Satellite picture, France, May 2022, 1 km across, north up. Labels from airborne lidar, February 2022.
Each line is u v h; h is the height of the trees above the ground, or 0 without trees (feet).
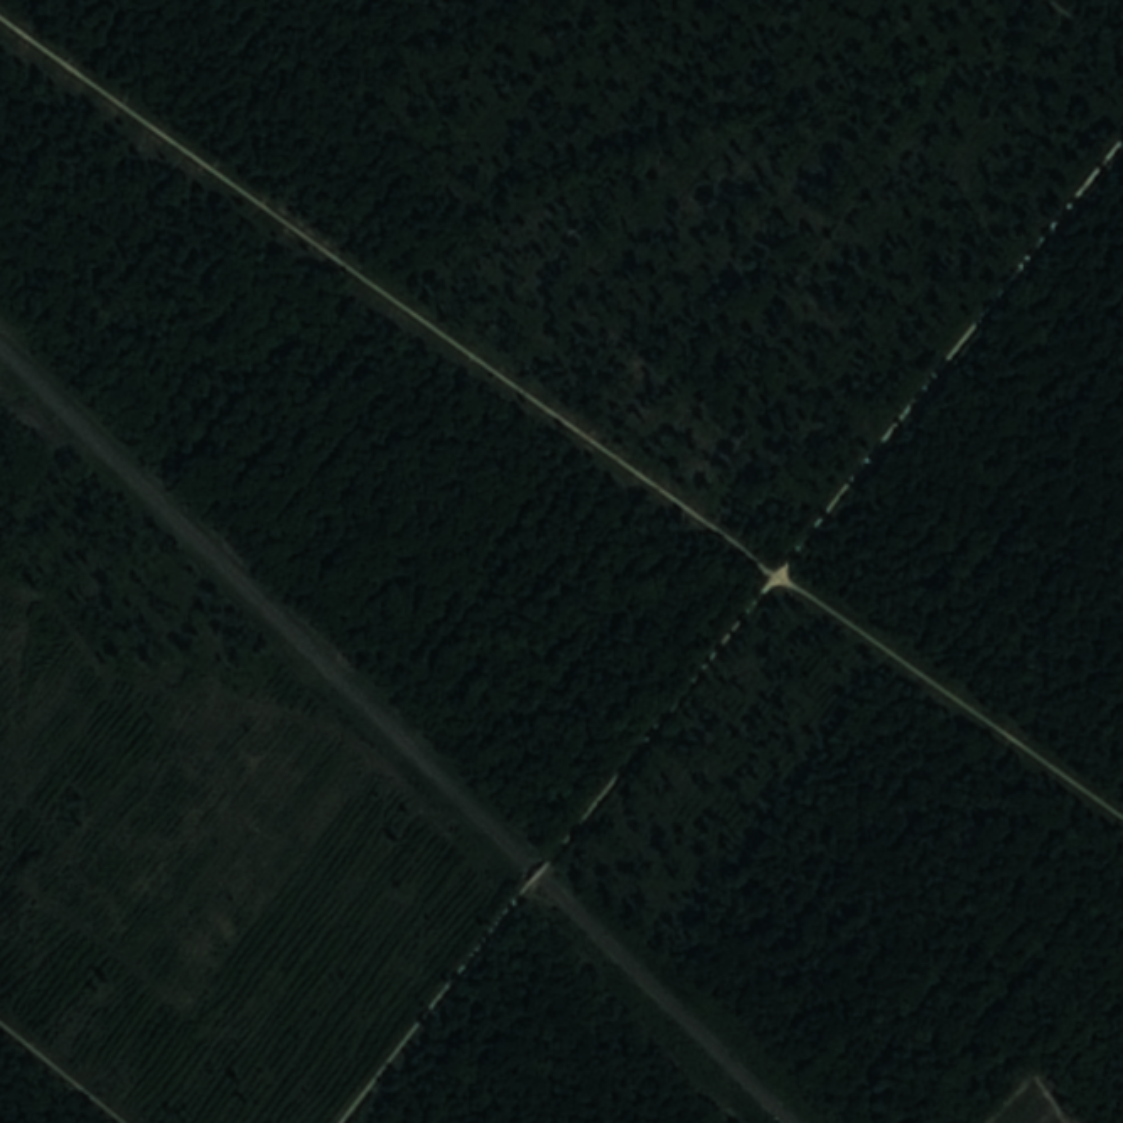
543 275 0
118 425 76
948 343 0
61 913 0
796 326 80
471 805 0
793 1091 0
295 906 0
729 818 0
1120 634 77
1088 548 79
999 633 77
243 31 68
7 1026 0
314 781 0
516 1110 74
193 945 0
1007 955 79
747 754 0
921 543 61
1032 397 69
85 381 76
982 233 77
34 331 68
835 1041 87
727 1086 0
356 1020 0
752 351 70
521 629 67
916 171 80
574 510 70
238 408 70
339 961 0
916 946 71
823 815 68
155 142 0
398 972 0
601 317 66
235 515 73
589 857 68
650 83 0
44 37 36
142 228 83
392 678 76
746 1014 77
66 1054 0
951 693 0
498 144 0
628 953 0
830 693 0
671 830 0
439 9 74
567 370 65
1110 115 0
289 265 77
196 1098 0
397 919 0
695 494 0
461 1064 81
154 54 74
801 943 97
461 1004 79
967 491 81
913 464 70
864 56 80
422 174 77
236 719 0
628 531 89
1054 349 81
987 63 0
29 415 0
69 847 0
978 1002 79
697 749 74
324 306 89
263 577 72
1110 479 80
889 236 0
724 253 0
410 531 72
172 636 0
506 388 0
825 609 0
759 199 84
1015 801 75
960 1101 72
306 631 0
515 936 71
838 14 71
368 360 71
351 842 0
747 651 70
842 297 72
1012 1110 0
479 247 75
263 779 0
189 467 79
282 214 0
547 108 75
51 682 0
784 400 0
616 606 71
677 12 73
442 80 0
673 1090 79
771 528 93
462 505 72
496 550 70
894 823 75
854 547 63
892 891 77
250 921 0
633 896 0
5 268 79
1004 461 73
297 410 66
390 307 0
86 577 0
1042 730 73
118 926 0
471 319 70
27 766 0
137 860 0
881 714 68
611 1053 70
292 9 77
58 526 75
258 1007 0
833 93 78
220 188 0
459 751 67
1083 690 56
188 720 0
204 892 0
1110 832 74
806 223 0
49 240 76
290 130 76
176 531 0
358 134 78
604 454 0
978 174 0
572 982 75
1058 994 76
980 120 0
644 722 71
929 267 28
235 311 84
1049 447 90
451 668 78
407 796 0
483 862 0
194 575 71
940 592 76
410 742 0
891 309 78
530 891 0
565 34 74
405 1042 0
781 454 85
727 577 79
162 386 89
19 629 0
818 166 0
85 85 0
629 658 69
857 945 85
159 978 0
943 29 71
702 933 84
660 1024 0
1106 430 80
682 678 77
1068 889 74
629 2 81
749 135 0
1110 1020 64
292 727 0
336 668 0
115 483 0
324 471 58
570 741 78
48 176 76
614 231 76
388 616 78
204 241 78
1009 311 67
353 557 74
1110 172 68
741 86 82
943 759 75
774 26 0
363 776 0
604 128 75
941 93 0
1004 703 68
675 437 81
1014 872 66
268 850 0
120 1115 0
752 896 73
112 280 65
